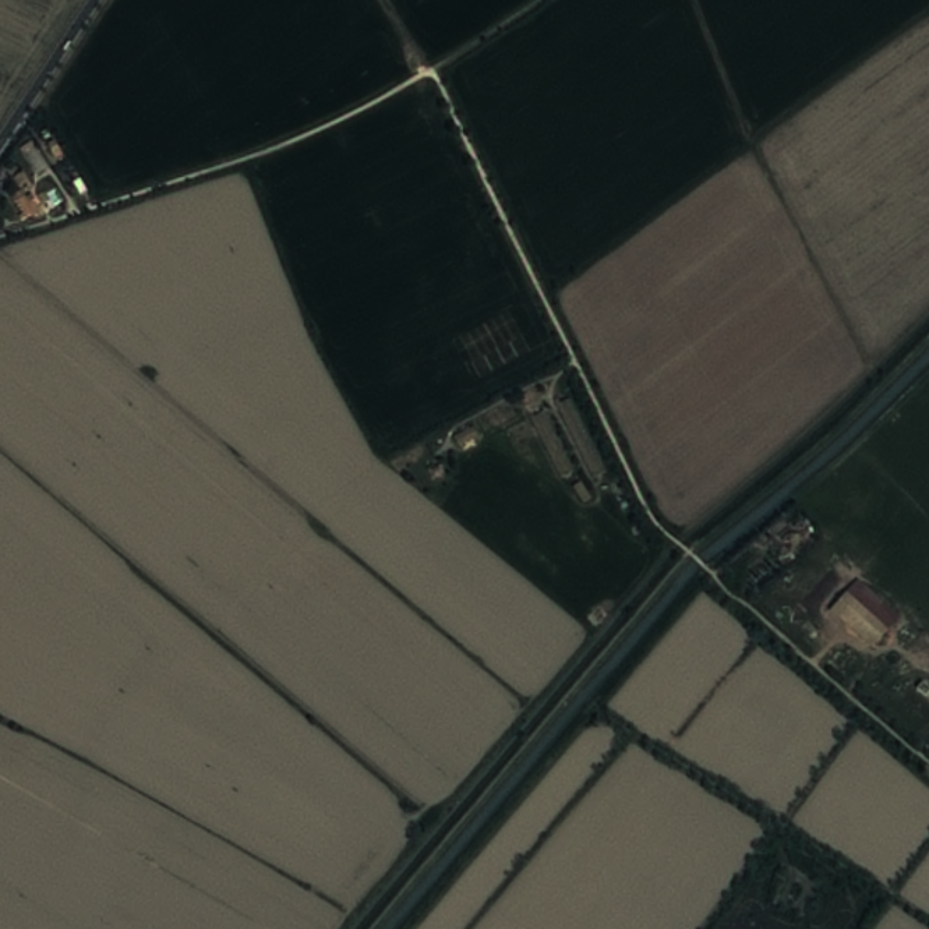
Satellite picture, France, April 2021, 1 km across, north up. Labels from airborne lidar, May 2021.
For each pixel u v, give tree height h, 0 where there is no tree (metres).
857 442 0
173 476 0
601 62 0
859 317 0
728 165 0
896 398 0
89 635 0
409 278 0
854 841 0
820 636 0
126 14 0
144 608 0
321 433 0
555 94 0
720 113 0
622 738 10
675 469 0
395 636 0
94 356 0
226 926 0
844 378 0
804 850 10
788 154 0
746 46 0
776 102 0
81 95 0
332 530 0
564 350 10
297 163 0
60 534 0
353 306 0
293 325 0
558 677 0
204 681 0
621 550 0
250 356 0
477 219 0
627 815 0
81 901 0
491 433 0
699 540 0
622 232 0
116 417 0
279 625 0
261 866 0
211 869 0
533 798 0
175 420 0
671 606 0
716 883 0
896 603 0
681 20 0
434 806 0
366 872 0
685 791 0
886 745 10
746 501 0
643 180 0
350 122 0
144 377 0
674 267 0
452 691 0
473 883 0
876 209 0
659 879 0
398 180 0
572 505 0
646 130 0
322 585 0
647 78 0
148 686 0
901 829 0
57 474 0
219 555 0
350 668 0
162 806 0
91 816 0
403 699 0
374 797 0
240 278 0
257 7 0
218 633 0
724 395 0
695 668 0
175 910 0
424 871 0
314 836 0
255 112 0
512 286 0
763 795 0
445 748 0
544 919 0
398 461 0
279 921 0
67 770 0
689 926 0
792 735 0
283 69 0
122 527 0
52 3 0
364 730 0
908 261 0
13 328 0
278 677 0
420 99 0
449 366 0
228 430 0
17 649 0
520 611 0
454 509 0
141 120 0
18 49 0
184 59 0
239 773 0
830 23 0
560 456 0
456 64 0
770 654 15
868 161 0
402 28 0
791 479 0
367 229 0
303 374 0
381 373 0
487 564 0
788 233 0
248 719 0
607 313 0
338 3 0
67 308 0
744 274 0
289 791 0
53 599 0
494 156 0
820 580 0
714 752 0
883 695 0
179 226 0
